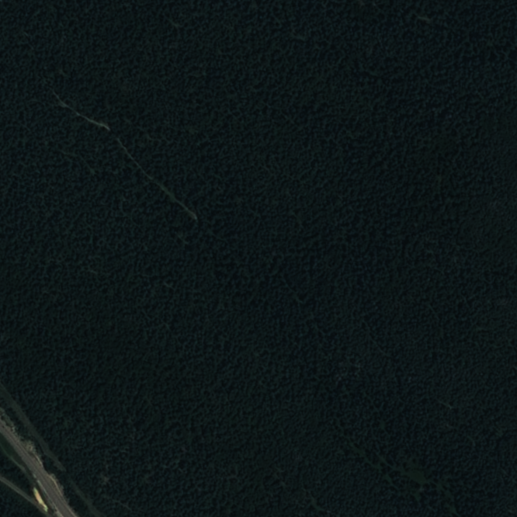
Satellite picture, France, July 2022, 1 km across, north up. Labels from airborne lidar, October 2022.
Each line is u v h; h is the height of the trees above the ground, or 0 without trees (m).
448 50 26
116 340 19
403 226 9
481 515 21
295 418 20
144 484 9
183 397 21
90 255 19
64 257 9
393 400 29
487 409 12
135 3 13
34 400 15
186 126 31
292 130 15
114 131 19
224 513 20
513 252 26
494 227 18
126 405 26
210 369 24
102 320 22
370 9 15
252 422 8
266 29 27
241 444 11
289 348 26
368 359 24
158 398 22
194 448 21
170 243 18
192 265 11
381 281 33
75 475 13
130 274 20
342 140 28
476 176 17
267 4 27
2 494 23
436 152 14
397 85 28
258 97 16
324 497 24
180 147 12
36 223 9
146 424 23
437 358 27
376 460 19
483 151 30
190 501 24
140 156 18
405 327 22
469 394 29
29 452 0
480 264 30
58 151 12
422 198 18
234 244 29
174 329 20
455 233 25
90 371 23
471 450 22
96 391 24
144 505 21
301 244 19
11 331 19
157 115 15
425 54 16
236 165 21
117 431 23
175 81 12
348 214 29
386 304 26
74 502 13
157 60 16
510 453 26
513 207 20
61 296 14
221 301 10
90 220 23
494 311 23
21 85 24
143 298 27
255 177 9
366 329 27
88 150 8
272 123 21
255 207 15
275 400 26
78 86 21
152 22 12
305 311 25
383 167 19
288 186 14
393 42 17
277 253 25
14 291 19
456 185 14
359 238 24
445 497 18
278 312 7
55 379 23
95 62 12
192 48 17
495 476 25
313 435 26
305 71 20
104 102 22
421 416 25
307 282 28
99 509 14
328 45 32
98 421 22
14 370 21
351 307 19
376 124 23
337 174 15
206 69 10
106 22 9
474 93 31
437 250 24
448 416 27
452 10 25
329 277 18
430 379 26
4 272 15
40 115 30
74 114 21
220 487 13
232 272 23
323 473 28
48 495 0
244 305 12
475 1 23
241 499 22
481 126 27
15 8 26
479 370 24
